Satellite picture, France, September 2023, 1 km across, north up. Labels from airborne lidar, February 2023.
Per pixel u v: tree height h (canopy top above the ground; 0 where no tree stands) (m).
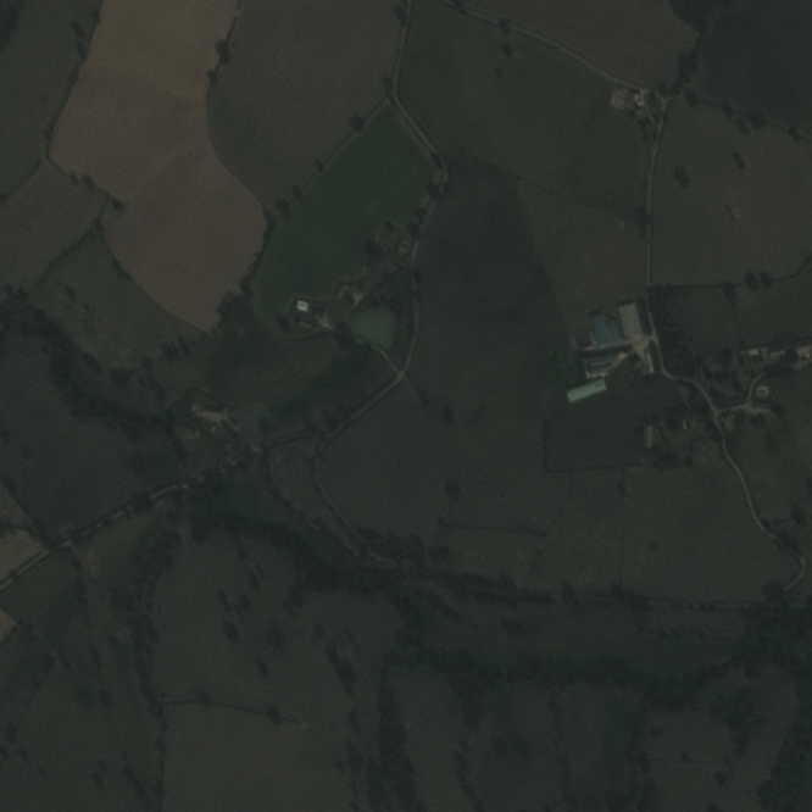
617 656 0
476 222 0
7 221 0
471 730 16
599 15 0
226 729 0
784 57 0
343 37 0
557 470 0
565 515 0
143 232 0
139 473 14
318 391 0
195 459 0
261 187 0
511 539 0
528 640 0
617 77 0
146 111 0
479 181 0
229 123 0
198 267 0
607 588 0
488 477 0
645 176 0
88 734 0
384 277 6
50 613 0
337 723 0
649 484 0
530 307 0
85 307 7
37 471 0
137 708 0
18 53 0
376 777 17
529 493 0
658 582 0
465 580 18
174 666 0
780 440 0
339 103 0
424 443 0
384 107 0
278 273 0
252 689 0
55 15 0
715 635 0
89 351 0
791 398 0
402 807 13
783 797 8
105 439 0
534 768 0
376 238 0
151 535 0
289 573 0
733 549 0
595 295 0
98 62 0
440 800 0
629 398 0
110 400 0
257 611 0
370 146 0
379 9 0
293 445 0
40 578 0
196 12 0
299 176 0
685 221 0
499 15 0
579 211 0
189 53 0
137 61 0
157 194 0
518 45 0
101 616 0
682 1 18
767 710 0
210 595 0
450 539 0
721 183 0
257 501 0
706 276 0
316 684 0
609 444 0
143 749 0
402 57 0
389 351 0
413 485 0
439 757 0
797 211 0
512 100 0
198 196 0
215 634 0
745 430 0
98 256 0
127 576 0
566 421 0
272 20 0
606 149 0
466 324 0
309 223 0
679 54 0
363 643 0
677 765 0
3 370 0
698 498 0
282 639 13
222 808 0
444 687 0
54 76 0
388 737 22
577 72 0
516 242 0
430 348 0
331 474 0
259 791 0
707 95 0
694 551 0
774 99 0
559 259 0
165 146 0
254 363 0
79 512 0
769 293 0
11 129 0
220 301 0
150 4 0
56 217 0
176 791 0
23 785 0
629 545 0
